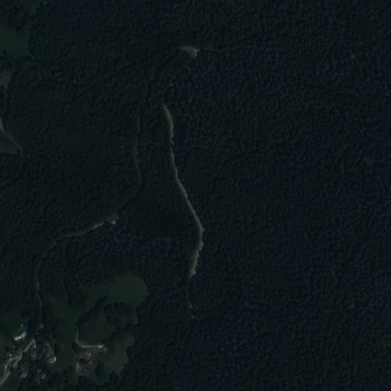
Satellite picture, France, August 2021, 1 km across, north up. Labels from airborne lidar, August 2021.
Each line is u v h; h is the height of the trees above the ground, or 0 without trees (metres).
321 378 24
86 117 15
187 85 34
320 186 28
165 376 24
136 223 28
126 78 32
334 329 23
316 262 27
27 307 25
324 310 19
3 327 7
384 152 23
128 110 26
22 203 27
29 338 15
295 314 23
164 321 28
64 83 30
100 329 0
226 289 27
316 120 28
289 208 27
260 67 20
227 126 15
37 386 12
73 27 29
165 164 31
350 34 33
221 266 24
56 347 12
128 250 31
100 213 28
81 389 25
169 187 23
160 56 28
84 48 21
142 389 23
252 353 17
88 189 33
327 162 28
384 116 31
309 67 22
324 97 13
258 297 17
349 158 26
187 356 26
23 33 13
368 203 23
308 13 24
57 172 26
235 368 12
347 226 19
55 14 29
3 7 28
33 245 18
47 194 36
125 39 18
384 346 12
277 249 19
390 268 23
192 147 21
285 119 28
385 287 27
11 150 0
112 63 27
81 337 0
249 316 28
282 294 27
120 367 0
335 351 15
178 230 25
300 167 36
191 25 32
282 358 24
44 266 16
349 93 20
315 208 29
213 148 31
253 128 23
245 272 22
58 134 23
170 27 23
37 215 23
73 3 29
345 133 27
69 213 24
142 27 18
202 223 8
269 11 35
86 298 12
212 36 33
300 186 27
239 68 26
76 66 27
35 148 22
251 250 21
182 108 21
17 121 27
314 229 21
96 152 27
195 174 25
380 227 28
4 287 27
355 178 17
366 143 11
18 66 0
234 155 7
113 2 32
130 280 0
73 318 0
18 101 22
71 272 11
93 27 28
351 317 8
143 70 27
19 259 28
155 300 19
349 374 14
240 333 22
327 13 40
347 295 26
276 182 25
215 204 19
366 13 15
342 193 22
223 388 26
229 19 22
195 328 27
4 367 0
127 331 21
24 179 33
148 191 32
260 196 24
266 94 16
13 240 29
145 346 21
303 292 27
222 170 22
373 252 14
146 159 24
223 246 22
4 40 0
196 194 20
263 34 15
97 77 23
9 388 0
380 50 36
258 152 17
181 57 16
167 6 9
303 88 39
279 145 19
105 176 28
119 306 23
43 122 27
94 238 28
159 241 32
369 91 34
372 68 37
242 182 9
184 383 22
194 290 23
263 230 7
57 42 28
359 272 25
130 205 18
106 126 23
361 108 27
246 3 30
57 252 16
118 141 33
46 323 22
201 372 28
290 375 31
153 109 22
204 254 15
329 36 27
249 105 17
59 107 20
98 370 11
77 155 31
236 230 20
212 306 24
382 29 23
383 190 24
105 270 21
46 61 32
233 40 30
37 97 25
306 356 26
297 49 22
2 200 24
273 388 22
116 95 30
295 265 22
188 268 17
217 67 6
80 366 0
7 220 38
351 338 21
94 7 28
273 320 31
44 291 16
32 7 0
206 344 26
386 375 14
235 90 33
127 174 25
